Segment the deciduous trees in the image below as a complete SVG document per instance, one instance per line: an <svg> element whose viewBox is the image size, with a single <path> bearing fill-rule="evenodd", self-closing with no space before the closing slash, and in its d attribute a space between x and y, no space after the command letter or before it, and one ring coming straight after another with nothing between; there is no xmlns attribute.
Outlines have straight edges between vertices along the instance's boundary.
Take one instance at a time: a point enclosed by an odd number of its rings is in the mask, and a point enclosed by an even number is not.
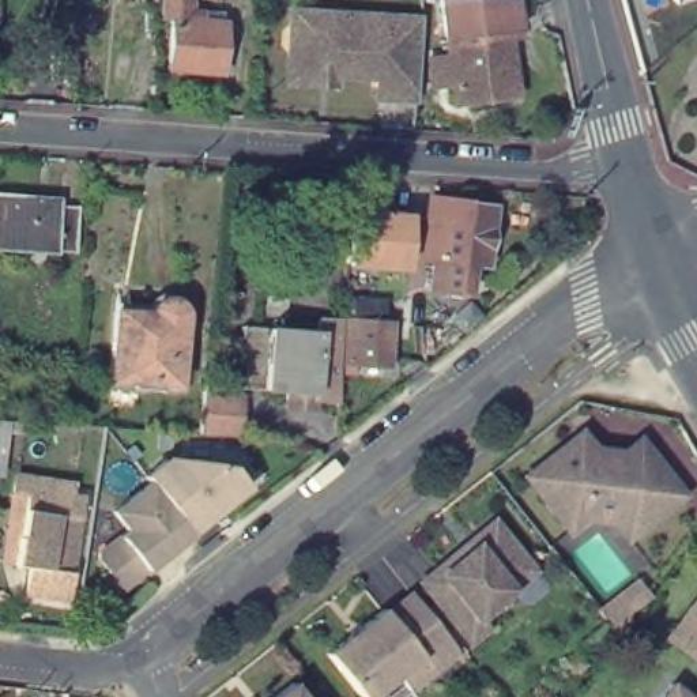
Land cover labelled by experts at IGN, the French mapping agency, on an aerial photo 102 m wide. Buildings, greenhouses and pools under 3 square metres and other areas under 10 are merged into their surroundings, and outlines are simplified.
<svg viewBox="0 0 697 697"><path fill-rule="evenodd" d="M681 572L697 577L697 531L681 536L675 547L667 545L664 561L672 561L672 566L678 566Z"/></svg>
<svg viewBox="0 0 697 697"><path fill-rule="evenodd" d="M22 626L22 613L30 602L25 588L16 588L8 599L0 602L0 629L16 632Z"/></svg>
<svg viewBox="0 0 697 697"><path fill-rule="evenodd" d="M561 120L539 103L523 120L534 142L558 139L561 128Z"/></svg>
<svg viewBox="0 0 697 697"><path fill-rule="evenodd" d="M82 163L79 180L74 182L74 196L79 204L84 221L98 221L109 199L117 196L114 188L106 188L95 177L93 166Z"/></svg>
<svg viewBox="0 0 697 697"><path fill-rule="evenodd" d="M430 681L430 686L422 689L419 697L520 697L504 675L498 675L490 664L479 662L474 651L466 664Z"/></svg>
<svg viewBox="0 0 697 697"><path fill-rule="evenodd" d="M185 430L199 427L199 422L185 411L166 414L158 408L142 419L142 427L161 425L163 430L166 430L174 425Z"/></svg>
<svg viewBox="0 0 697 697"><path fill-rule="evenodd" d="M329 302L324 305L329 313L335 319L357 319L351 294L340 286L332 286Z"/></svg>
<svg viewBox="0 0 697 697"><path fill-rule="evenodd" d="M25 438L52 438L57 425L84 425L90 411L95 411L109 398L112 389L112 362L109 368L82 368L74 362L71 354L30 354L22 346L0 340L0 422L16 422L22 433Z"/></svg>
<svg viewBox="0 0 697 697"><path fill-rule="evenodd" d="M11 41L11 57L0 60L0 98L5 93L27 93L35 84L60 84L71 101L93 103L103 93L103 68L90 60L84 65L76 65L71 52L63 49L57 30L49 22L33 22L25 16L22 22L16 22L11 16L5 38Z"/></svg>
<svg viewBox="0 0 697 697"><path fill-rule="evenodd" d="M272 52L280 46L280 27L286 11L302 8L302 0L250 0L253 11L242 16L242 117L248 123L259 120L264 71L250 60L253 54L272 57Z"/></svg>
<svg viewBox="0 0 697 697"><path fill-rule="evenodd" d="M248 275L253 294L267 302L283 299L283 305L289 308L291 302L308 305L321 291L324 280L332 280L349 270L343 259L368 259L373 253L373 245L384 237L387 221L398 212L389 204L395 185L384 180L384 172L376 166L376 161L362 161L346 169L349 180L357 180L362 185L357 193L349 193L338 182L299 182L291 193L286 193L286 199L275 204L256 199L242 215L248 223L242 226L242 234L231 237L231 248L237 248L242 270Z"/></svg>
<svg viewBox="0 0 697 697"><path fill-rule="evenodd" d="M455 147L466 144L485 150L487 144L504 144L509 136L506 131L517 123L515 106L487 106L485 114L482 120L452 117L447 128L452 133Z"/></svg>
<svg viewBox="0 0 697 697"><path fill-rule="evenodd" d="M98 651L103 651L125 640L125 621L136 607L133 599L120 602L117 594L87 591L82 583L76 585L74 604L68 610L57 610L60 626L52 629L52 637L93 640Z"/></svg>
<svg viewBox="0 0 697 697"><path fill-rule="evenodd" d="M169 278L174 283L196 283L199 250L185 256L180 250L172 250L166 256Z"/></svg>
<svg viewBox="0 0 697 697"><path fill-rule="evenodd" d="M41 283L44 264L35 264L33 256L19 256L8 250L0 253L0 275L27 280L35 289Z"/></svg>
<svg viewBox="0 0 697 697"><path fill-rule="evenodd" d="M207 389L218 398L242 398L242 389L250 384L250 376L256 373L256 351L245 340L242 329L231 327L231 335L210 335L204 335L201 349L201 373L207 376Z"/></svg>
<svg viewBox="0 0 697 697"><path fill-rule="evenodd" d="M71 193L71 188L65 185L5 182L0 188L0 191L63 196Z"/></svg>
<svg viewBox="0 0 697 697"><path fill-rule="evenodd" d="M264 697L283 697L286 692L302 686L297 675L289 681L286 675L280 675L270 678Z"/></svg>
<svg viewBox="0 0 697 697"><path fill-rule="evenodd" d="M577 218L572 218L572 221L561 221L561 218L558 218L558 199L547 191L547 185L531 185L531 193L525 193L525 204L536 210L536 223L531 223L517 240L523 242L523 253L504 256L501 264L485 278L485 289L496 291L512 289L531 259L545 256L558 264L561 264L583 253L588 240L594 240L599 231L599 221L591 218L591 207L585 204L585 207L577 207Z"/></svg>
<svg viewBox="0 0 697 697"><path fill-rule="evenodd" d="M610 664L621 670L621 678L632 681L651 675L656 670L659 651L648 640L634 637L623 626L613 626L602 648Z"/></svg>
<svg viewBox="0 0 697 697"><path fill-rule="evenodd" d="M163 14L152 16L152 35L158 49L152 74L158 93L142 98L142 106L152 114L204 120L215 128L226 125L229 117L229 95L223 93L223 79L182 76L169 71L169 27Z"/></svg>

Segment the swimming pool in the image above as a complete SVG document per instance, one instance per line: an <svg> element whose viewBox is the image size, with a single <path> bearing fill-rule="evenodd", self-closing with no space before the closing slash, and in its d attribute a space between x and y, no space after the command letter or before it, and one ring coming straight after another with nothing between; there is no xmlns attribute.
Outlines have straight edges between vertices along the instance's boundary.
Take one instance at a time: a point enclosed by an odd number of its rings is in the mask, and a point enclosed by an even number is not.
<svg viewBox="0 0 697 697"><path fill-rule="evenodd" d="M588 539L574 555L583 564L583 569L594 577L594 583L604 591L621 585L629 574L626 564L604 542L604 536L596 536Z"/></svg>
<svg viewBox="0 0 697 697"><path fill-rule="evenodd" d="M133 471L133 464L131 463L114 463L112 468L103 468L101 482L114 482L114 490L129 491L142 482Z"/></svg>

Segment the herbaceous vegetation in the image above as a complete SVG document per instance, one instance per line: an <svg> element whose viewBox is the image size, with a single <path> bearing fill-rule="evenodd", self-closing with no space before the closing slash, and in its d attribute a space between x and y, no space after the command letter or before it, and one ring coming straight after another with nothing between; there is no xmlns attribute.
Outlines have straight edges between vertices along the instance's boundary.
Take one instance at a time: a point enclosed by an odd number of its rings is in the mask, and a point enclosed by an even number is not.
<svg viewBox="0 0 697 697"><path fill-rule="evenodd" d="M430 16L430 0L302 0L302 8Z"/></svg>
<svg viewBox="0 0 697 697"><path fill-rule="evenodd" d="M109 368L112 362L109 324L114 302L114 280L123 275L125 267L136 210L125 196L117 196L109 199L98 221L84 221L82 245L74 248L71 256L49 253L44 264L41 283L35 289L27 280L0 275L0 340L22 346L30 354L71 354L74 362L82 368Z"/></svg>
<svg viewBox="0 0 697 697"><path fill-rule="evenodd" d="M158 599L155 591L161 585L161 577L150 574L136 588L125 591L117 583L117 577L103 574L98 569L82 583L87 591L117 594L120 602L133 599L136 607L147 610Z"/></svg>
<svg viewBox="0 0 697 697"><path fill-rule="evenodd" d="M212 19L226 19L231 25L231 65L223 79L223 93L229 95L229 117L242 117L242 16L253 11L250 0L196 0L201 14Z"/></svg>
<svg viewBox="0 0 697 697"><path fill-rule="evenodd" d="M585 199L580 199L580 196L572 196L572 199L569 199L569 196L566 196L566 199L558 199L558 218L561 218L561 221L572 221L572 218L577 218L577 207L585 207L585 204Z"/></svg>
<svg viewBox="0 0 697 697"><path fill-rule="evenodd" d="M384 101L381 90L370 90L370 82L349 82L340 87L329 87L327 93L286 87L280 46L272 52L272 57L253 54L250 60L264 71L259 120L313 120L327 123L329 133L340 128L346 133L354 133L370 117L378 117L376 103Z"/></svg>
<svg viewBox="0 0 697 697"><path fill-rule="evenodd" d="M504 193L509 204L512 218L506 237L501 240L504 256L523 253L523 242L517 240L531 223L536 223L536 210L525 204L525 193Z"/></svg>
<svg viewBox="0 0 697 697"><path fill-rule="evenodd" d="M142 106L142 98L158 93L152 74L158 49L152 35L152 16L163 14L163 0L0 0L0 60L11 57L11 41L5 38L11 16L16 22L22 22L25 16L33 22L49 22L57 30L63 49L71 52L76 65L84 65L90 60L103 68L103 93L93 103Z"/></svg>
<svg viewBox="0 0 697 697"><path fill-rule="evenodd" d="M0 188L5 182L65 185L71 188L71 193L63 196L63 201L79 204L74 196L74 182L79 180L82 163L46 161L35 155L0 155Z"/></svg>
<svg viewBox="0 0 697 697"><path fill-rule="evenodd" d="M452 117L436 103L436 95L427 90L425 82L422 90L430 98L417 106L417 112L403 112L411 120L411 125L447 128Z"/></svg>
<svg viewBox="0 0 697 697"><path fill-rule="evenodd" d="M286 182L278 177L278 172L267 169L267 174L259 182L240 185L231 210L242 215L256 199L275 204L286 199L286 193L291 193L299 182Z"/></svg>
<svg viewBox="0 0 697 697"><path fill-rule="evenodd" d="M349 640L362 637L368 623L387 615L389 610L381 604L376 604L373 610L362 604L354 613L357 623L349 629L343 629L343 623L329 610L319 613L313 618L313 629L299 632L283 648L299 664L297 675L302 686L313 697L349 697L351 686L329 664L329 653L338 653Z"/></svg>
<svg viewBox="0 0 697 697"><path fill-rule="evenodd" d="M245 678L253 697L264 697L270 678L280 675L272 656Z"/></svg>
<svg viewBox="0 0 697 697"><path fill-rule="evenodd" d="M659 651L656 670L651 675L632 681L621 678L621 670L610 664L602 648L613 626L610 621L599 618L599 607L585 591L585 585L561 566L553 542L547 539L550 534L566 534L566 525L558 517L539 517L545 512L545 498L528 485L528 476L536 476L536 471L572 438L588 433L588 419L580 414L583 395L577 398L566 398L564 403L542 411L539 417L531 414L531 422L525 425L523 436L531 438L531 444L509 455L506 466L498 466L493 460L493 482L482 485L471 498L452 509L455 523L466 534L487 517L501 520L512 531L512 536L528 550L534 566L542 569L550 583L550 591L536 604L512 604L512 610L501 615L501 623L490 632L490 637L482 645L474 645L474 651L479 662L490 664L498 675L504 675L520 697L651 697L659 681L672 672L678 672L681 683L681 689L672 697L697 697L697 675L692 672L692 659L670 643L670 632L697 604L697 577L681 572L681 577L672 580L667 610L659 610L656 615L645 610L640 610L623 626L634 637L648 640Z"/></svg>
<svg viewBox="0 0 697 697"><path fill-rule="evenodd" d="M425 41L430 54L438 57L444 57L447 49L460 52L490 46L485 0L447 0L449 35L436 35L427 22L419 30L414 30L414 35Z"/></svg>
<svg viewBox="0 0 697 697"><path fill-rule="evenodd" d="M523 120L539 103L561 120L561 128L569 128L572 123L566 93L572 93L572 84L566 76L566 63L547 27L531 30L525 41L517 44L517 63L525 95L520 106L515 106L517 123L506 131L509 136L517 139L515 144L534 142Z"/></svg>
<svg viewBox="0 0 697 697"><path fill-rule="evenodd" d="M659 11L651 11L651 30L659 54L656 60L648 54L643 60L648 82L659 93L659 98L653 98L653 112L662 136L672 133L672 139L678 142L678 152L697 163L697 0L694 0L689 5L670 3Z"/></svg>
<svg viewBox="0 0 697 697"><path fill-rule="evenodd" d="M425 362L430 368L438 359L444 359L452 349L460 349L466 338L447 320L464 302L427 299L422 294L425 286L414 280L408 272L376 272L359 280L349 270L332 280L324 280L321 291L308 305L291 302L289 308L283 316L270 316L267 302L253 294L248 275L242 270L234 272L231 327L242 329L316 329L321 316L329 313L324 305L329 302L332 286L340 286L351 294L354 289L395 294L395 305L403 313L406 338L403 343L398 343L400 362Z"/></svg>
<svg viewBox="0 0 697 697"><path fill-rule="evenodd" d="M114 520L114 515L125 509L139 493L144 493L150 476L172 460L182 457L226 463L245 468L250 476L261 474L264 479L274 482L302 457L294 449L256 449L237 438L204 438L199 436L199 427L185 430L174 425L166 430L172 433L174 447L161 452L155 447L155 438L163 430L161 425L142 427L142 419L158 408L166 414L185 411L199 422L207 419L201 408L201 392L207 389L207 376L201 373L201 349L204 335L210 335L207 294L215 289L218 272L218 229L223 207L221 172L212 174L199 169L139 169L123 163L103 166L106 174L117 177L120 182L144 185L142 207L144 221L139 231L136 264L131 291L123 302L128 310L155 310L169 299L191 302L196 313L193 359L185 395L142 395L136 400L131 392L112 389L109 398L95 411L90 411L84 425L57 425L52 438L25 438L22 433L11 436L8 471L5 476L0 476L0 602L8 599L16 588L8 585L3 572L3 545L8 531L11 487L16 476L30 474L65 479L76 482L82 496L93 493L98 438L103 427L109 427L109 438L103 468L112 468L114 463L131 463L131 457L125 457L125 449L139 449L144 455L133 464L133 471L142 482L129 491L114 490L114 482L101 482L90 542L90 561L95 561L101 545L114 545L125 536L125 528ZM166 256L172 250L180 250L185 256L199 250L196 283L174 283L169 278Z"/></svg>
<svg viewBox="0 0 697 697"><path fill-rule="evenodd" d="M335 436L343 441L354 425L359 425L381 403L406 389L411 384L408 376L381 381L368 376L343 378L340 406L324 403L321 414L332 419Z"/></svg>
<svg viewBox="0 0 697 697"><path fill-rule="evenodd" d="M419 531L414 531L408 545L419 550L425 561L436 558L455 542L444 531L444 517L427 517L419 525Z"/></svg>
<svg viewBox="0 0 697 697"><path fill-rule="evenodd" d="M659 534L667 534L667 545L675 547L681 536L697 531L697 512L689 506L681 515L667 517L659 525Z"/></svg>

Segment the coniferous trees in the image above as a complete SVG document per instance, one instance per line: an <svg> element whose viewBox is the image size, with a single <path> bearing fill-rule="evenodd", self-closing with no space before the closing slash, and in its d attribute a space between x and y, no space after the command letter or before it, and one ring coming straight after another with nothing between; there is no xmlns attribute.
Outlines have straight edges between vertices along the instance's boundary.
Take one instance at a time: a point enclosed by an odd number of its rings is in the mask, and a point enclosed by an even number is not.
<svg viewBox="0 0 697 697"><path fill-rule="evenodd" d="M321 591L332 572L319 550L308 555L291 555L289 585L272 594L272 607L240 607L231 621L218 621L196 637L199 656L204 662L215 662L229 662L240 653L245 643L259 643L270 632L283 604L297 602L305 591Z"/></svg>
<svg viewBox="0 0 697 697"><path fill-rule="evenodd" d="M441 447L430 455L419 452L417 457L411 485L419 496L447 498L455 490L460 490L463 476L468 474L468 466L460 460L455 447Z"/></svg>
<svg viewBox="0 0 697 697"><path fill-rule="evenodd" d="M523 436L525 425L517 414L506 411L504 406L496 406L485 417L479 417L471 433L466 436L471 449L504 449L509 455L531 444L531 438Z"/></svg>

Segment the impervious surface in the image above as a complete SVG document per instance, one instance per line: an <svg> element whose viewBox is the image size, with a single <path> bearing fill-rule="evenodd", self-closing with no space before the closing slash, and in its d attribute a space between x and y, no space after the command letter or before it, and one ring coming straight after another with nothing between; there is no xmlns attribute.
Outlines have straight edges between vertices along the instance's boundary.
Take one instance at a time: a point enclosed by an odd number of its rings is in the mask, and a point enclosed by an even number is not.
<svg viewBox="0 0 697 697"><path fill-rule="evenodd" d="M659 681L651 697L672 697L681 689L681 683L678 672L672 672Z"/></svg>
<svg viewBox="0 0 697 697"><path fill-rule="evenodd" d="M427 204L433 199L457 196L496 201L504 207L509 204L504 193L525 193L531 193L531 185L547 185L547 191L558 199L566 199L566 196L569 196L569 199L572 199L572 196L580 196L580 199L585 199L585 204L591 207L591 218L599 221L599 231L594 240L588 240L583 253L561 264L566 275L550 291L525 305L476 349L466 351L441 376L430 368L425 362L400 362L392 368L368 368L368 376L381 381L408 376L411 384L406 389L408 400L389 411L389 419L395 419L392 427L373 425L359 441L346 447L343 441L335 436L332 419L321 414L324 403L289 400L283 408L275 408L264 400L259 406L250 384L242 389L242 398L248 419L256 422L261 430L297 436L313 444L324 457L329 466L319 471L310 482L302 482L299 496L286 496L278 506L272 506L267 515L250 523L237 539L229 539L221 534L221 528L215 528L210 528L193 550L185 566L185 580L172 594L158 599L147 610L136 607L125 621L125 640L103 651L98 651L93 640L52 637L52 629L60 626L57 610L30 602L22 613L22 626L16 632L0 629L0 697L199 697L199 692L215 678L215 662L204 662L199 656L196 637L218 621L231 621L240 607L272 607L272 594L289 585L291 555L308 555L319 550L332 572L340 574L343 569L354 569L359 574L362 588L376 599L376 604L381 604L403 585L422 585L433 572L438 572L441 566L436 558L425 561L419 550L408 545L414 531L419 531L419 525L427 517L444 517L444 531L455 542L466 534L455 523L452 509L471 498L482 485L493 482L493 460L498 466L506 466L509 455L504 449L471 449L466 436L471 433L479 417L485 417L496 406L504 406L506 411L517 414L525 425L531 422L531 414L539 417L542 411L564 403L566 398L577 398L574 392L580 389L580 384L594 378L626 384L629 362L634 357L645 357L653 365L653 370L672 373L672 378L678 381L681 392L692 403L692 408L683 417L689 419L697 436L697 163L678 152L678 142L672 139L672 133L662 136L653 112L653 98L659 98L659 93L648 82L643 60L648 54L656 60L659 54L651 30L651 11L659 11L670 3L689 5L694 0L523 0L525 14L531 14L531 30L547 27L566 63L566 76L572 84L572 93L566 93L572 123L569 128L561 128L558 139L534 142L515 144L517 139L509 136L504 144L487 144L485 150L466 144L455 147L452 133L447 128L411 125L411 120L403 112L417 112L417 106L414 101L384 101L376 103L378 117L370 117L354 133L346 133L340 128L329 133L327 123L313 120L259 120L248 123L242 117L229 117L226 125L215 128L204 120L152 114L142 106L93 103L71 101L60 84L35 84L27 93L5 93L0 98L0 155L35 155L46 161L82 163L93 166L103 166L123 163L139 169L199 169L212 174L221 172L229 166L267 169L278 172L278 177L286 182L299 182L338 182L349 193L357 193L362 185L357 180L349 180L346 169L362 161L376 161L376 166L384 172L384 180L395 185L389 204L398 212L411 212L419 218L419 250L425 250L430 231ZM460 490L455 490L447 498L419 496L411 485L417 457L419 452L430 455L441 447L455 447L460 460L468 466L468 474L463 476Z"/></svg>
<svg viewBox="0 0 697 697"><path fill-rule="evenodd" d="M648 438L651 447L664 457L664 463L686 487L689 506L697 512L697 438L689 438L689 433L678 422L670 422L667 417L621 411L604 403L594 403L596 419L588 419L588 433L602 447L613 449L626 449Z"/></svg>

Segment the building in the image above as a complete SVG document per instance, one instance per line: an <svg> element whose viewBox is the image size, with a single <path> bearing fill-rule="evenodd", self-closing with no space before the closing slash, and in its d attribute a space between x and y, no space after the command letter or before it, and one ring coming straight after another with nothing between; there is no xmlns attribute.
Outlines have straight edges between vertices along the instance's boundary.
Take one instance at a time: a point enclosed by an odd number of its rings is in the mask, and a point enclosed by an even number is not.
<svg viewBox="0 0 697 697"><path fill-rule="evenodd" d="M613 449L602 447L588 433L572 438L536 471L536 476L528 476L528 485L545 498L545 512L539 517L558 517L566 525L566 534L569 539L588 539L596 536L596 528L610 525L629 542L640 542L659 534L659 525L667 517L681 515L689 506L686 487L664 463L664 457L651 447L648 438L626 449Z"/></svg>
<svg viewBox="0 0 697 697"><path fill-rule="evenodd" d="M697 675L697 604L670 632L670 643L692 659L692 672Z"/></svg>
<svg viewBox="0 0 697 697"><path fill-rule="evenodd" d="M384 101L414 101L417 106L430 98L422 90L425 82L427 90L436 95L438 90L449 90L452 103L468 106L471 112L479 109L485 114L487 106L515 106L520 106L525 95L517 63L517 44L525 41L531 30L531 14L525 14L523 0L485 0L490 46L460 52L447 49L444 57L438 57L430 54L425 41L414 35L414 30L419 30L427 22L436 35L449 35L447 0L430 0L430 16L302 8L286 11L280 27L280 46L286 87L327 93L329 87L340 87L349 82L370 82L370 90L381 90Z"/></svg>
<svg viewBox="0 0 697 697"><path fill-rule="evenodd" d="M267 302L270 316L283 316L289 308L283 305L283 299Z"/></svg>
<svg viewBox="0 0 697 697"><path fill-rule="evenodd" d="M286 692L283 697L313 697L302 686Z"/></svg>
<svg viewBox="0 0 697 697"><path fill-rule="evenodd" d="M84 221L79 204L63 201L63 196L0 191L0 253L8 250L19 256L33 256L35 264L44 264L49 253L71 256L74 248L82 245Z"/></svg>
<svg viewBox="0 0 697 697"><path fill-rule="evenodd" d="M226 19L212 19L201 14L196 0L163 0L163 14L169 27L169 71L182 76L223 79L231 65L231 25Z"/></svg>
<svg viewBox="0 0 697 697"><path fill-rule="evenodd" d="M11 436L22 433L16 422L0 422L0 476L5 476L8 471Z"/></svg>
<svg viewBox="0 0 697 697"><path fill-rule="evenodd" d="M125 449L125 457L131 457L131 463L133 464L144 455L139 449Z"/></svg>
<svg viewBox="0 0 697 697"><path fill-rule="evenodd" d="M496 201L457 196L433 199L427 204L430 231L425 250L419 250L419 218L411 212L398 212L387 221L384 237L373 245L373 253L368 259L343 259L349 270L359 280L376 272L408 272L414 280L425 286L422 294L427 299L464 302L447 320L466 338L471 338L493 313L496 291L485 289L485 278L501 264L504 256L501 240L506 237L512 218L509 204L504 207Z"/></svg>
<svg viewBox="0 0 697 697"><path fill-rule="evenodd" d="M613 626L623 626L640 610L645 610L651 604L651 591L637 580L637 574L629 574L621 585L604 591L607 604L599 607L599 618L610 621Z"/></svg>
<svg viewBox="0 0 697 697"><path fill-rule="evenodd" d="M321 316L316 329L242 329L245 340L256 351L256 373L250 376L250 384L259 406L264 400L275 408L283 408L289 400L324 403L340 406L343 378L368 376L368 368L392 368L400 362L398 343L403 343L406 338L403 313L395 305L395 294L354 289L351 294L357 319L335 319L329 313Z"/></svg>
<svg viewBox="0 0 697 697"><path fill-rule="evenodd" d="M174 447L172 433L166 430L163 430L155 438L155 447L161 452Z"/></svg>
<svg viewBox="0 0 697 697"><path fill-rule="evenodd" d="M112 362L112 389L131 392L136 400L142 395L185 395L193 359L196 313L191 302L169 299L155 310L128 310L123 302L114 302L109 324Z"/></svg>
<svg viewBox="0 0 697 697"><path fill-rule="evenodd" d="M248 419L242 398L218 398L207 389L201 392L201 408L207 419L199 422L199 427L199 436L204 438L237 438Z"/></svg>
<svg viewBox="0 0 697 697"><path fill-rule="evenodd" d="M550 591L550 583L542 569L534 566L528 550L512 536L512 531L501 520L487 517L466 534L455 542L436 558L441 566L438 572L433 572L422 585L403 585L381 604L389 610L387 615L368 623L362 637L349 640L338 653L329 653L329 664L351 686L349 697L419 697L422 689L430 686L430 681L466 664L474 651L474 645L482 645L490 637L490 632L501 623L501 615L512 610L512 604L536 604Z"/></svg>
<svg viewBox="0 0 697 697"><path fill-rule="evenodd" d="M161 577L163 566L180 555L180 550L193 550L210 528L215 528L218 517L229 515L261 487L264 479L261 474L250 476L245 468L226 463L182 457L172 460L150 476L144 493L139 493L125 509L114 515L114 520L125 528L125 536L114 545L101 545L95 561L90 561L90 542L101 482L103 468L109 438L109 427L103 427L98 438L93 493L82 496L76 482L65 479L30 474L16 476L11 487L8 531L3 545L3 572L8 585L16 588L25 588L30 602L57 610L68 610L74 604L76 585L82 583L98 569L103 574L117 577L117 583L125 591L136 588L150 574Z"/></svg>

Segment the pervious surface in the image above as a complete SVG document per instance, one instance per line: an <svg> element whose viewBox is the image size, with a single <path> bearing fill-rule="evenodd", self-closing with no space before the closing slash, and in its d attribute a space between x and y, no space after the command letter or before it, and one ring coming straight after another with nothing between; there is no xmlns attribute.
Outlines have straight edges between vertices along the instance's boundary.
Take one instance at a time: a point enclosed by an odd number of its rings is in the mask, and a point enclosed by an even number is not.
<svg viewBox="0 0 697 697"><path fill-rule="evenodd" d="M681 392L678 381L672 378L672 373L653 370L653 365L645 357L634 357L629 362L626 384L594 378L580 384L580 389L574 392L577 398L583 395L580 414L588 419L596 419L594 403L604 403L621 411L667 417L670 422L678 422L689 433L689 438L697 438L697 436L689 419L683 417L692 408L692 403Z"/></svg>
<svg viewBox="0 0 697 697"><path fill-rule="evenodd" d="M493 313L471 338L466 338L460 349L452 349L444 359L438 359L430 368L441 376L466 351L476 349L525 305L550 291L566 275L561 264L558 264L542 280L525 289L512 305Z"/></svg>
<svg viewBox="0 0 697 697"><path fill-rule="evenodd" d="M485 114L479 109L471 112L468 106L452 103L449 90L438 90L436 95L436 103L452 117L482 120Z"/></svg>
<svg viewBox="0 0 697 697"><path fill-rule="evenodd" d="M240 520L229 520L229 515L218 517L215 528L221 528L221 534L229 539L237 539L250 523L267 515L272 506L278 506L286 496L299 496L302 482L310 482L319 471L329 466L324 457L313 460L302 474L278 487L253 512L242 515Z"/></svg>
<svg viewBox="0 0 697 697"><path fill-rule="evenodd" d="M389 419L389 411L408 400L406 389L381 403L359 425L354 425L343 441L346 447L359 441L373 425L392 427L395 419Z"/></svg>
<svg viewBox="0 0 697 697"><path fill-rule="evenodd" d="M319 613L329 610L343 623L343 629L349 629L357 623L354 613L362 604L373 610L376 604L376 599L362 588L359 574L354 569L343 569L340 574L332 572L321 591L305 591L297 602L283 604L270 632L259 643L245 643L240 653L229 662L215 662L215 678L199 692L199 697L253 697L245 678L272 656L278 645L283 648L299 632L313 629L313 618Z"/></svg>
<svg viewBox="0 0 697 697"><path fill-rule="evenodd" d="M583 569L583 564L574 555L588 539L569 539L566 534L550 534L547 539L553 542L561 566L585 585L585 591L599 607L607 604L604 591L594 583L594 577Z"/></svg>
<svg viewBox="0 0 697 697"><path fill-rule="evenodd" d="M629 542L610 525L596 528L596 536L604 536L604 542L626 564L629 574L637 574L645 572L645 550L640 542Z"/></svg>
<svg viewBox="0 0 697 697"><path fill-rule="evenodd" d="M193 550L180 550L180 555L163 566L161 577L161 585L155 591L158 599L172 594L185 580L185 566Z"/></svg>

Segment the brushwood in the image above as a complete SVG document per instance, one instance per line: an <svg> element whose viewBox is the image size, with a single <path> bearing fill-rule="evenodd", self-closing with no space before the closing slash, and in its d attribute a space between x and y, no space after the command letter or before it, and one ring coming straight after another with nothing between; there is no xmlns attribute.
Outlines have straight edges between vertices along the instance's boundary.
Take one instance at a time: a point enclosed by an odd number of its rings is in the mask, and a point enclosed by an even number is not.
<svg viewBox="0 0 697 697"><path fill-rule="evenodd" d="M645 610L656 615L659 610L667 610L672 580L681 577L681 572L678 566L672 566L672 561L664 561L667 545L667 534L659 534L640 542L645 550L645 572L637 574L637 580L651 591L651 604Z"/></svg>
<svg viewBox="0 0 697 697"><path fill-rule="evenodd" d="M242 226L248 223L242 215L231 210L240 185L259 182L267 174L267 169L229 166L221 172L223 207L218 229L218 272L215 289L207 294L210 335L231 335L231 327L234 272L242 270L237 248L231 248L231 237L242 234Z"/></svg>
<svg viewBox="0 0 697 697"><path fill-rule="evenodd" d="M117 196L125 196L136 210L142 207L144 185L120 182L117 177L106 174L103 166L93 166L95 177L106 188L114 188Z"/></svg>
<svg viewBox="0 0 697 697"><path fill-rule="evenodd" d="M299 664L283 648L278 645L272 656L280 675L286 675L289 681L297 675Z"/></svg>
<svg viewBox="0 0 697 697"><path fill-rule="evenodd" d="M558 264L545 256L531 259L512 289L496 291L493 313L512 305L525 289L542 280Z"/></svg>
<svg viewBox="0 0 697 697"><path fill-rule="evenodd" d="M274 482L264 479L261 487L229 515L229 520L240 520L242 515L253 512L278 487L302 474L313 460L324 457L313 444L297 436L261 430L256 422L248 419L237 438L256 449L294 449L302 457Z"/></svg>

